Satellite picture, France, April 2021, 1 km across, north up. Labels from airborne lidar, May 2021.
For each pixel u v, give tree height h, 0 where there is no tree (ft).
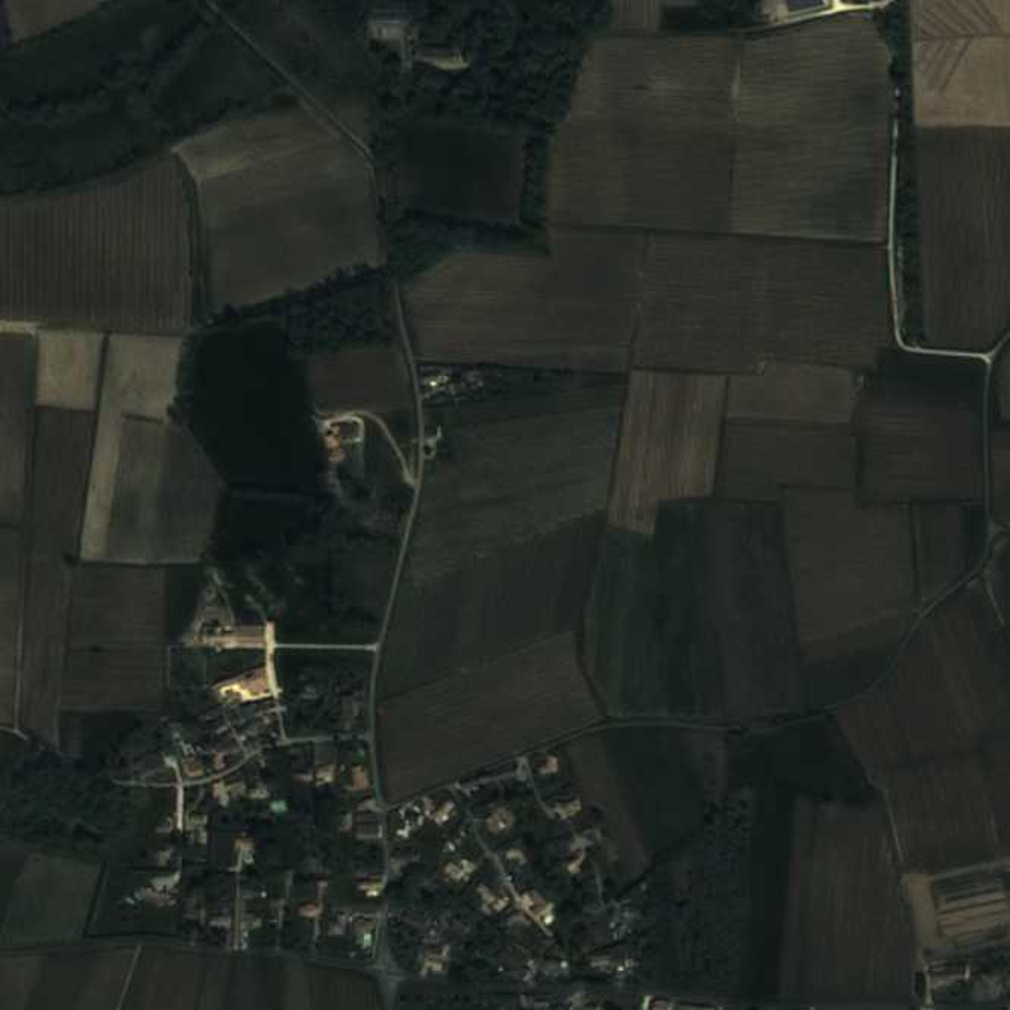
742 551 0
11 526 0
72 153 0
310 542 59
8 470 0
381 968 0
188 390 39
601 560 0
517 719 0
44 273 0
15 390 0
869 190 0
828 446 0
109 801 65
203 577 0
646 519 0
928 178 0
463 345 0
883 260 0
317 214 0
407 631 0
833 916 0
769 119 0
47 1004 0
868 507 0
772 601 0
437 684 0
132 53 0
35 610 0
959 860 0
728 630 0
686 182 0
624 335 0
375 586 0
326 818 60
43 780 69
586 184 0
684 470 0
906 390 0
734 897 50
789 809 0
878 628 0
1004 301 0
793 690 0
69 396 0
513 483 0
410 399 0
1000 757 0
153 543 0
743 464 0
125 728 0
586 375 0
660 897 33
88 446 0
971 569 0
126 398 0
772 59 0
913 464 0
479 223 20
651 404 0
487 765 0
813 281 0
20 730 0
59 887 0
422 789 0
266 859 70
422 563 0
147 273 0
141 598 0
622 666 0
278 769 0
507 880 0
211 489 0
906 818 0
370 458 0
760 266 0
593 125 0
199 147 0
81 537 0
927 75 0
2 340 0
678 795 0
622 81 0
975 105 0
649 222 0
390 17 0
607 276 0
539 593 0
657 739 0
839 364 0
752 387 0
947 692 0
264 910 0
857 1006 0
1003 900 0
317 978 0
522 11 0
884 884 0
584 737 0
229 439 0
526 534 0
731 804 33
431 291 0
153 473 0
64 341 0
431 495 0
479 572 0
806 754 0
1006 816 0
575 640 0
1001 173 0
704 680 0
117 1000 0
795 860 0
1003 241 0
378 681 0
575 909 40
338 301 71
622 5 0
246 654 0
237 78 0
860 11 0
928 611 0
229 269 0
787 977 0
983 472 0
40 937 0
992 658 0
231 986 0
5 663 0
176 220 0
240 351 0
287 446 0
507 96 46
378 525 0
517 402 0
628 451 0
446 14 58
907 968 0
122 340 0
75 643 0
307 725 48
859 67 0
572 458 0
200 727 57
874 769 0
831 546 0
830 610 0
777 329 0
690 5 0
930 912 0
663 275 0
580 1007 0
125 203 0
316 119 0
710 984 50
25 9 0
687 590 0
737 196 0
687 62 0
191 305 0
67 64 0
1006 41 0
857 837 0
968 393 0
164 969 0
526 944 0
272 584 0
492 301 0
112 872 0
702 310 0
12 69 27
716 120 0
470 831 0
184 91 0
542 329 0
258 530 0
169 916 0
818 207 0
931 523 0
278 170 0
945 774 0
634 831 0
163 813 0
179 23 0
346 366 0
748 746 28
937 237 0
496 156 0
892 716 0
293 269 0
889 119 0
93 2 0
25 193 24
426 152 0
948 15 0
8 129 34
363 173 0
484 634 0
